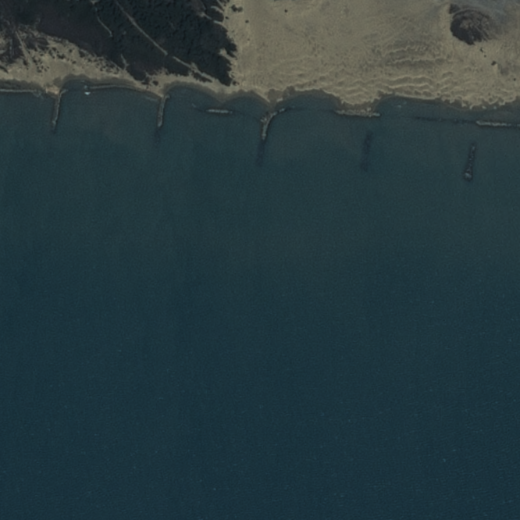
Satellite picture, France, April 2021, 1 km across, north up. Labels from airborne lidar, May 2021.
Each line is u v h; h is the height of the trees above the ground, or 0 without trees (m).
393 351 0
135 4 9
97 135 0
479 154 0
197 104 0
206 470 0
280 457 0
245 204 0
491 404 0
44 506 0
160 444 0
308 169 0
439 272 0
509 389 0
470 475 0
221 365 0
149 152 0
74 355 0
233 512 0
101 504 0
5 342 0
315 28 0
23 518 0
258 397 0
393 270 0
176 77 0
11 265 0
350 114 0
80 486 0
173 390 0
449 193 0
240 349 0
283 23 0
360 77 0
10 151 0
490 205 0
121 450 0
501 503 0
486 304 0
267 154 0
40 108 0
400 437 0
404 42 0
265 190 0
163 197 0
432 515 0
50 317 0
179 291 0
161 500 0
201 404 0
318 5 0
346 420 0
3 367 0
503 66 0
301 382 0
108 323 0
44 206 0
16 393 0
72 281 0
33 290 0
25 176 0
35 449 0
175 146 0
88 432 0
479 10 0
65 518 0
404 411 0
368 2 0
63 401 0
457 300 0
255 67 0
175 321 0
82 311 0
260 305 0
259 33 0
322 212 0
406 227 0
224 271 0
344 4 0
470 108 0
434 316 0
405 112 0
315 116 0
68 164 0
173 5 7
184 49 6
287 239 0
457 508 0
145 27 8
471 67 0
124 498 0
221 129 0
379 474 0
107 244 0
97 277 0
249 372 0
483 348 0
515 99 0
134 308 0
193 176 0
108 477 0
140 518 0
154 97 0
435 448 0
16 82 0
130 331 0
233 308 0
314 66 0
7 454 0
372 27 0
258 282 0
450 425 0
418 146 0
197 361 0
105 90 0
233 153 0
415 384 0
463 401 0
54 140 0
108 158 0
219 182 0
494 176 0
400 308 0
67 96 0
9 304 0
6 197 0
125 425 0
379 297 0
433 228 0
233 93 0
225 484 0
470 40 0
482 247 0
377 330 0
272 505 0
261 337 0
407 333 0
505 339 0
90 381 0
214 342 0
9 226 0
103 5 8
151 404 0
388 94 0
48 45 0
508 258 0
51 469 0
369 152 0
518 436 0
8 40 0
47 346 0
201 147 0
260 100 0
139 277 0
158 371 0
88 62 0
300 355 0
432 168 0
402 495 0
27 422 0
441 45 0
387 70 0
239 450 0
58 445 0
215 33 8
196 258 0
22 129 0
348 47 0
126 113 0
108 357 0
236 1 0
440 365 0
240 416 0
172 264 0
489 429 0
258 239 0
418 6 0
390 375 0
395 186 0
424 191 0
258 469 0
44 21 0
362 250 0
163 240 0
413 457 0
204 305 0
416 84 0
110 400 0
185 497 0
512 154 0
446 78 0
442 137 0
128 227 0
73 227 0
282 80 0
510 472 0
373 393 0
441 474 0
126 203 0
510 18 0
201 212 0
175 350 0
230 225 0
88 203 0
